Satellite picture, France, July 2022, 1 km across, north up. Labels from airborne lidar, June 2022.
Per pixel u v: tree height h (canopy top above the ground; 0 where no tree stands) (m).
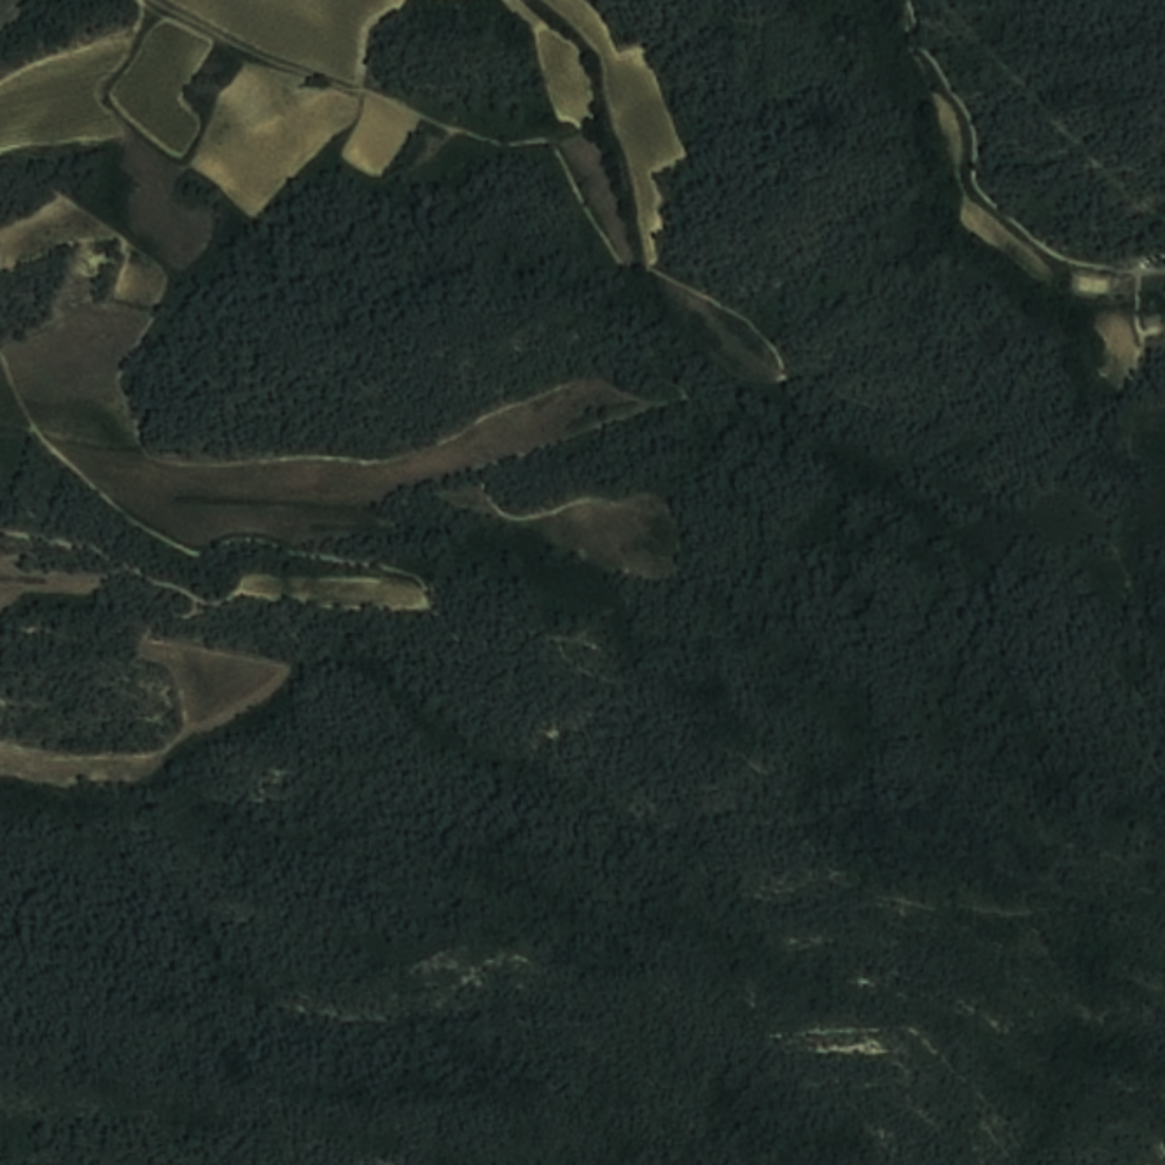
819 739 12
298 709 10
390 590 0
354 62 0
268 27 0
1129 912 10
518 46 10
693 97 13
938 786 9
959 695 12
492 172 11
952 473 12
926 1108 7
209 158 0
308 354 9
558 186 13
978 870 9
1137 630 15
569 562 7
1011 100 12
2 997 13
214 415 14
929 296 12
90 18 12
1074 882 10
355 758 11
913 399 10
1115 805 10
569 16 0
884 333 7
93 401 0
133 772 0
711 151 12
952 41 9
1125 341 0
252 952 16
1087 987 5
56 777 0
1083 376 8
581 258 6
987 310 17
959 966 10
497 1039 7
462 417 9
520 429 0
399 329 14
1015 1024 6
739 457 15
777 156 13
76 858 10
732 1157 8
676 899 7
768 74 10
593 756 10
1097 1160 9
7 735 10
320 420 13
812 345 12
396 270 17
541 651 8
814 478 21
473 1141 9
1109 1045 10
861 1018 6
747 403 20
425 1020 13
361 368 15
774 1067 10
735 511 16
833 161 15
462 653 11
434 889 8
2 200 10
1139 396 19
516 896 12
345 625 11
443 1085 10
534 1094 7
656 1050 9
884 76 6
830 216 13
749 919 6
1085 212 9
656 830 11
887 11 15
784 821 7
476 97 11
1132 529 6
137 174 0
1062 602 12
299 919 9
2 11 0
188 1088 12
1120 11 10
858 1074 10
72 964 11
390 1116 11
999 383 18
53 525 10
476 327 14
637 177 0
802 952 6
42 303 16
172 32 0
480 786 17
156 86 0
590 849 14
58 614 10
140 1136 15
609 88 0
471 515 16
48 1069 13
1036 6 10
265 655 9
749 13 17
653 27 13
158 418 17
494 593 8
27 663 10
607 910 11
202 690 0
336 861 9
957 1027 6
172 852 11
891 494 9
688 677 11
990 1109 7
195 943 17
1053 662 13
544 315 14
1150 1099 7
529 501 6
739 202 16
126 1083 8
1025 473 12
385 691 15
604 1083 11
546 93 12
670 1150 13
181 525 0
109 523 12
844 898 9
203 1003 15
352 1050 12
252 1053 15
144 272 0
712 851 12
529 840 14
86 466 0
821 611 13
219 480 0
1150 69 17
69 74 0
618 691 9
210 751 7
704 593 11
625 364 15
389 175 9
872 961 7
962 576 16
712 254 13
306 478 0
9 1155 13
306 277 15
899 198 15
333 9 0
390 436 10
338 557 8
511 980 10
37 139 0
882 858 10
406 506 9
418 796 11
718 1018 15
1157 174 13
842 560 11
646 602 9
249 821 6
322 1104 7
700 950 13
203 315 13
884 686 17
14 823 8
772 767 8
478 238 14
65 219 0
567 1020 10
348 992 7
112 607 15
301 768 7
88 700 8
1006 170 10
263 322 11
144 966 17
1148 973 10
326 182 7
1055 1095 6
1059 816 7
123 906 17
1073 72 13
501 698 13
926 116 22
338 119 0
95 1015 14
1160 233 19
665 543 0
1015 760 12
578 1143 11
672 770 12
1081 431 10
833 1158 8
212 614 10
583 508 0
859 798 13
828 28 9
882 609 8
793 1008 9
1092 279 0
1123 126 8
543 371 11
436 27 7
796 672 6
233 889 11
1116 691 11
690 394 9
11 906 16
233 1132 15
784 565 13
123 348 0
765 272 13
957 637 11
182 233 0
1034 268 0
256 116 0
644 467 12
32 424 0
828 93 19
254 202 0
